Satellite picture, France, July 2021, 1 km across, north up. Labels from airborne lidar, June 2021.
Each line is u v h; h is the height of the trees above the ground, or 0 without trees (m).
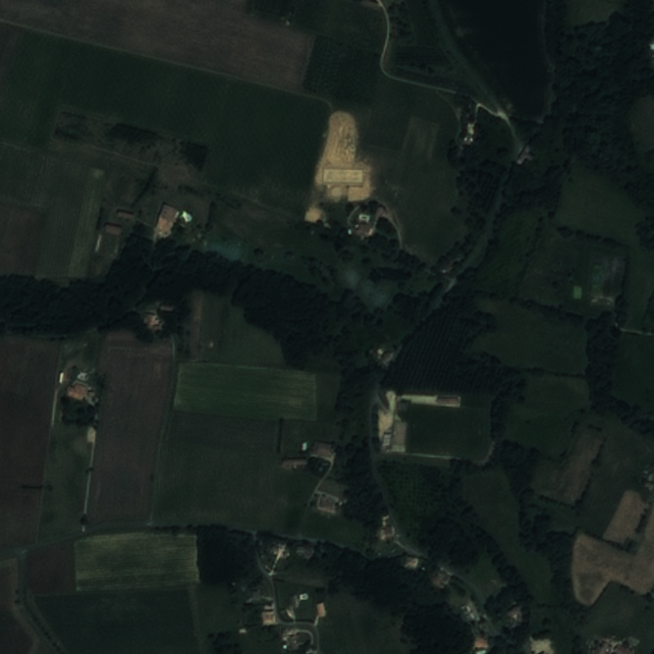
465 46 0
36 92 0
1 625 0
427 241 0
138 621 0
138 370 0
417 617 13
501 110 0
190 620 0
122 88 0
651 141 0
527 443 0
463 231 0
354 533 0
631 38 17
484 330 17
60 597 0
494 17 0
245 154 0
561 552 16
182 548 0
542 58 0
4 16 0
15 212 0
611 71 12
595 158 11
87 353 0
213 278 12
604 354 23
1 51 0
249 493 0
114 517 0
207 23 0
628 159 9
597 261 0
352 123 0
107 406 0
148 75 0
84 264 0
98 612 0
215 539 14
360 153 0
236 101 0
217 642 15
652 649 0
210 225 10
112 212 0
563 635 0
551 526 16
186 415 0
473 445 0
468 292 15
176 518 0
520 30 0
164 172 0
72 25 0
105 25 0
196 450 0
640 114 0
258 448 0
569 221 0
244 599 0
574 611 9
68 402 15
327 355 0
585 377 8
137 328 11
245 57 0
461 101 6
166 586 0
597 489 0
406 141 0
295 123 0
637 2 18
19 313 18
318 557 13
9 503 0
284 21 0
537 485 0
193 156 6
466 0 0
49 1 0
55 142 0
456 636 14
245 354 0
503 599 14
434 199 0
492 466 17
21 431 0
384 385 20
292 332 13
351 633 0
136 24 0
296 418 0
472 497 0
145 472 0
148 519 0
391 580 19
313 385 0
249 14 0
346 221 0
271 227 0
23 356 0
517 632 16
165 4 0
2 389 0
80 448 0
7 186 0
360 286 0
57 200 0
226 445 0
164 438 0
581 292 0
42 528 0
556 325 0
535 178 16
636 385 0
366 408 0
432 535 17
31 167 0
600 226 0
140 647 0
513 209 9
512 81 0
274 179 0
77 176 0
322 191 0
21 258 0
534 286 0
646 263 0
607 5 0
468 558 22
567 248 0
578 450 0
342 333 8
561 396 0
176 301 11
